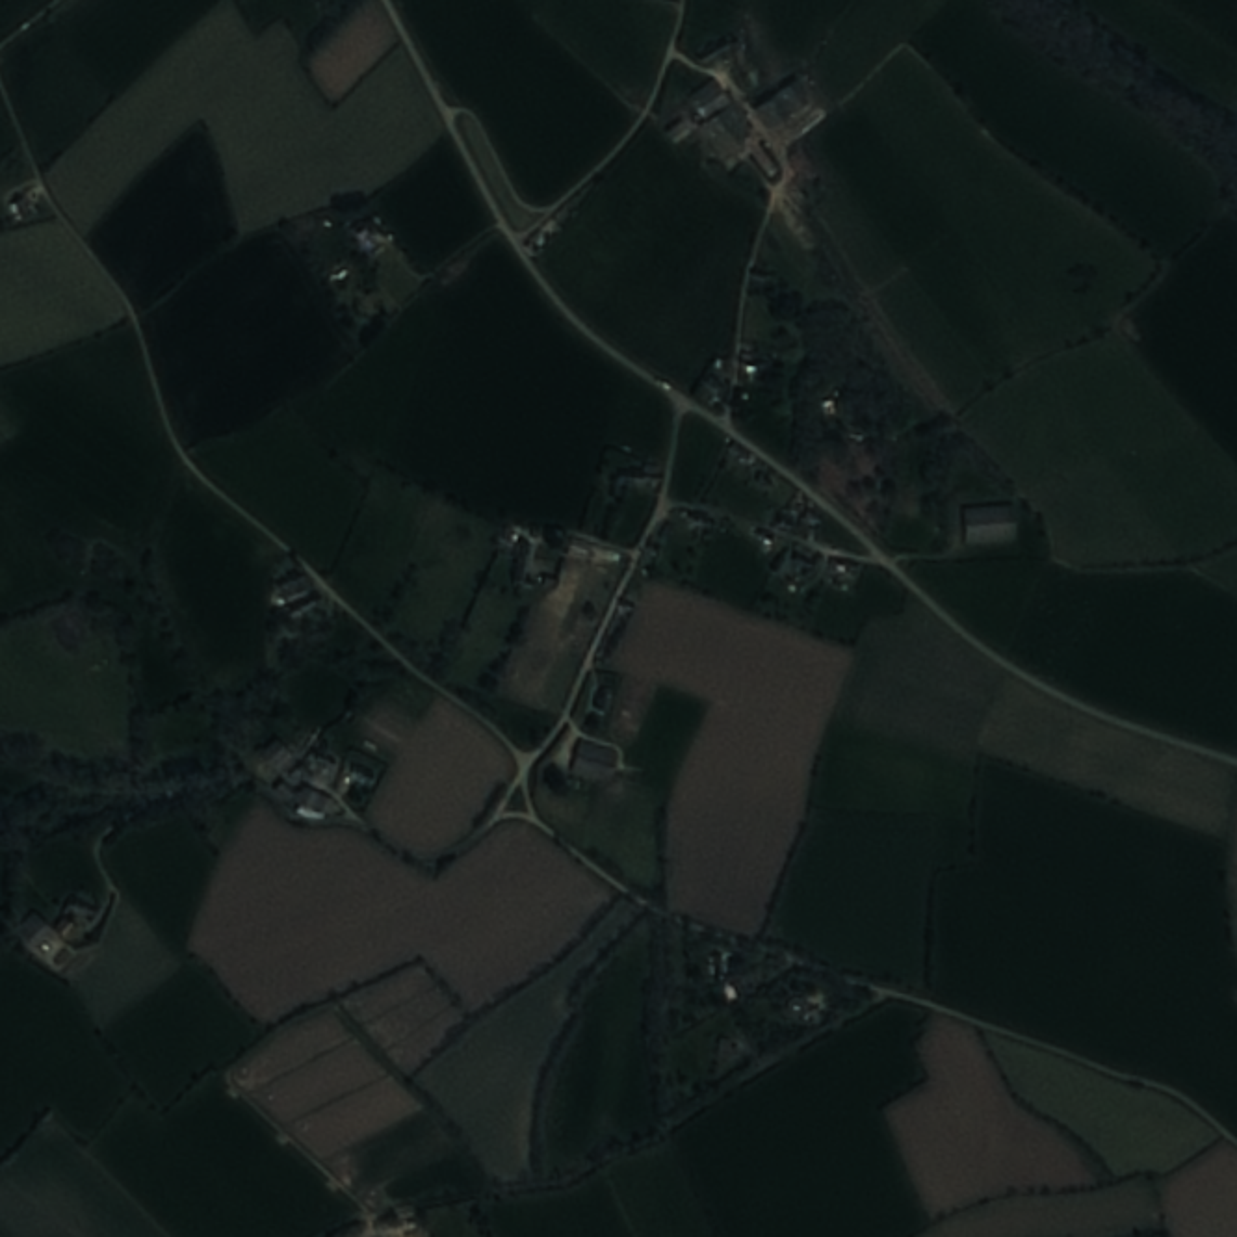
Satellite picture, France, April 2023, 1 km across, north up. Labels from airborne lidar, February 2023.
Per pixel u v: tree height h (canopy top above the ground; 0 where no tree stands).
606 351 0
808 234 0
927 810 0
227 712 12
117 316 0
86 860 0
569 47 0
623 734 0
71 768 12
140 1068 0
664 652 0
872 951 0
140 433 0
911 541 0
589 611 8
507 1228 0
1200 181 0
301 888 0
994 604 0
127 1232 0
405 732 0
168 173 0
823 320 10
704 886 0
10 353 0
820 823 0
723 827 0
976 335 0
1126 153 0
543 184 0
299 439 0
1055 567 0
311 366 0
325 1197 0
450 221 0
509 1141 0
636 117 0
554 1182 8
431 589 0
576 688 0
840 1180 0
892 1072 0
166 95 0
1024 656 0
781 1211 0
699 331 0
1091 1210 0
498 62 0
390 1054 0
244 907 0
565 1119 0
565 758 0
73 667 0
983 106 0
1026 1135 0
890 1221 0
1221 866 0
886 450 13
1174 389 0
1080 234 0
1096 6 0
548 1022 0
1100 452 0
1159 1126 0
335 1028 0
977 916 0
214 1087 0
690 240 0
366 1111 0
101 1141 0
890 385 11
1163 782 0
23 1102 0
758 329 0
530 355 0
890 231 0
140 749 17
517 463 0
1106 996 0
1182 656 0
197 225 0
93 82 0
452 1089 0
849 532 0
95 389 0
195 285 0
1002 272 0
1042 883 0
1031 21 20
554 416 0
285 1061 0
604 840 0
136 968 0
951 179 0
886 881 0
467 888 0
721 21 0
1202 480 0
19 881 14
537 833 0
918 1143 0
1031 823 0
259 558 0
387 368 0
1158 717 0
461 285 0
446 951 0
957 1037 0
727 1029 0
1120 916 0
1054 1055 0
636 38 0
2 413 0
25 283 0
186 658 8
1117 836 0
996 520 0
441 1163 0
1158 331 0
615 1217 0
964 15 0
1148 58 9
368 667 6
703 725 0
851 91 0
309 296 0
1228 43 0
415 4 0
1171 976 0
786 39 0
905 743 0
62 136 0
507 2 0
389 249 0
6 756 17
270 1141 0
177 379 0
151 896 0
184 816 7
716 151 0
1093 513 0
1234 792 0
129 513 0
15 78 0
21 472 0
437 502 9
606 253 0
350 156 0
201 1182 0
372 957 0
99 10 0
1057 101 0
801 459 11
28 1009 0
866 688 0
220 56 0
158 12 0
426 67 0
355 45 0
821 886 0
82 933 0
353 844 0
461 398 0
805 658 0
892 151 0
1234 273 0
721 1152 0
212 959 0
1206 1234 0
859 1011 10
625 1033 0
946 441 8
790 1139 0
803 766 0
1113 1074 0
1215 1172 0
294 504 0
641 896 9
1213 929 0
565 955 7
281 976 0
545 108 0
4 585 0
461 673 0
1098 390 0
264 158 0
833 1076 0
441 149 0
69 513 0
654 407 0
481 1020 8
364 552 0
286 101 0
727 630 0
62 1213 0
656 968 12
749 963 10
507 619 0
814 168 0
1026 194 0
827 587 0
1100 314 0
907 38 0
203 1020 0
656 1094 14
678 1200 0
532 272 0
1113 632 0
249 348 0
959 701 0
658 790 0
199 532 0
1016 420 0
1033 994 0
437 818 0
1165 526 0
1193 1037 0
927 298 0
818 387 9
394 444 0
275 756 0
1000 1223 0
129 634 12
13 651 0
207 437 0
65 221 0
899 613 0
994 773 0
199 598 0
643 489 0
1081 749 0
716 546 0
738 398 7
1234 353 0
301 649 9
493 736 0
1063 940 0
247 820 0
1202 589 0
